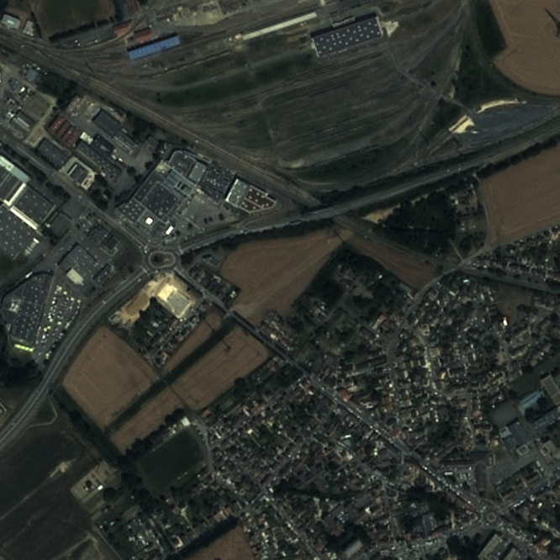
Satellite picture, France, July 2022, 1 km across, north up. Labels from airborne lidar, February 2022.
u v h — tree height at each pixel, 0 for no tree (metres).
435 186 9
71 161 0
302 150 0
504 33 0
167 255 0
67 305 0
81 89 0
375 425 0
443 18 0
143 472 0
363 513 0
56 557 0
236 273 0
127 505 0
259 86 0
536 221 0
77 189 0
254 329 6
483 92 0
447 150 0
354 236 0
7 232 0
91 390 0
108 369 0
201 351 0
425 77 0
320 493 16
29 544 0
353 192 8
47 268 0
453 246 0
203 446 0
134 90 0
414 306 0
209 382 0
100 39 0
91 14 0
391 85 0
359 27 0
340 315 0
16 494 0
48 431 0
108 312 0
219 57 0
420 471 0
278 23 0
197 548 17
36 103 0
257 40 0
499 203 0
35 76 0
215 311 0
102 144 0
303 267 0
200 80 0
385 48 0
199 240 0
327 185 0
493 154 0
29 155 0
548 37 0
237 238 9
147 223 0
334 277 0
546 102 0
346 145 0
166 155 0
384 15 0
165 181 0
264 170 0
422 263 0
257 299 0
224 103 0
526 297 0
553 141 8
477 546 13
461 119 0
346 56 0
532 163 0
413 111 0
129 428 0
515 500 0
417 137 0
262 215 0
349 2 0
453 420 9
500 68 0
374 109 0
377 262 11
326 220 14
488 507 0
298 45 0
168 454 0
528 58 0
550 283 12
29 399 0
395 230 12
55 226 0
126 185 0
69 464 0
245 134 0
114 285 0
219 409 8
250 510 0
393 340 0
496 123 0
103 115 0
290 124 0
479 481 0
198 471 0
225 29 0
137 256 0
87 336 0
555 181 0
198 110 0
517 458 0
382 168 0
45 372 0
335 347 0
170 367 0
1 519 0
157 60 0
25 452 0
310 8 0
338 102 0
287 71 0
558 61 0
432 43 0
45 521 0
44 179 10
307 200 0
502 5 0
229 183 0
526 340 0
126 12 0
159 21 0
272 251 0
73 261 0
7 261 0
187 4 0
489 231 0
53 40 9
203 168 0
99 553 0
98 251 0
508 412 0
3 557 0
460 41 0
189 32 0
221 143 0
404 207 12
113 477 0
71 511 0
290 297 0
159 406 0
